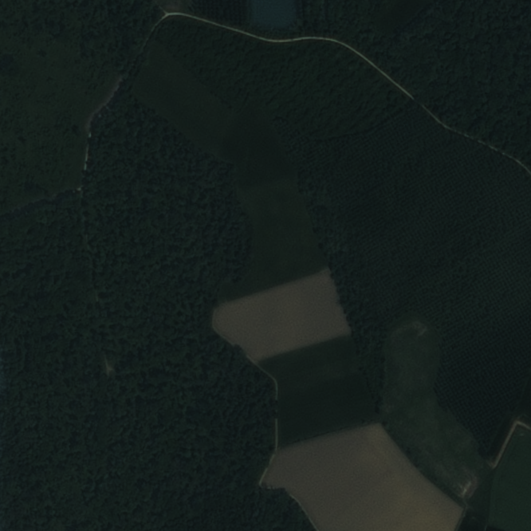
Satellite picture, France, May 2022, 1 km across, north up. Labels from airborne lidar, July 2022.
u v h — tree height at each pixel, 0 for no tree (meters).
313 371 0
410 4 0
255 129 0
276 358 0
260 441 15
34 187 26
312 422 0
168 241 24
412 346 0
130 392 25
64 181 7
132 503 23
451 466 0
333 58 6
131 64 9
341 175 19
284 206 0
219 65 9
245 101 6
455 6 24
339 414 0
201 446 29
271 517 28
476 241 6
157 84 0
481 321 18
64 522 18
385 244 19
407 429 0
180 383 23
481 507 0
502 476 0
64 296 28
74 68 6
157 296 26
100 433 33
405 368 0
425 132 25
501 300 15
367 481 0
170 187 24
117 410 26
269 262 0
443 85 25
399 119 19
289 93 6
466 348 17
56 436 27
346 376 0
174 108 0
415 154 21
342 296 15
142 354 26
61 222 23
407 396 0
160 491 25
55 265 23
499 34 8
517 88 27
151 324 26
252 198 0
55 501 26
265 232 0
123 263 25
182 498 28
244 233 20
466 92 28
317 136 8
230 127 0
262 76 5
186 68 9
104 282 20
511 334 24
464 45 29
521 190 21
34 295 9
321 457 0
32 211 23
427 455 0
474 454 0
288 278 0
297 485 0
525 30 23
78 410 27
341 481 0
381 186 24
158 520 25
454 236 17
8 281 27
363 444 0
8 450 16
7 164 27
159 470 25
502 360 23
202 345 18
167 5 0
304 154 10
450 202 22
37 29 9
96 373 8
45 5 9
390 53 20
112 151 26
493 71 27
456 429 0
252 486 25
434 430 0
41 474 26
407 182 19
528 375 22
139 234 26
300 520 26
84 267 27
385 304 21
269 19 0
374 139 17
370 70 8
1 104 29
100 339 22
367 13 19
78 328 26
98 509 27
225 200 10
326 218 16
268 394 23
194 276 27
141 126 23
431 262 17
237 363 24
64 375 28
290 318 0
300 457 0
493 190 21
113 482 24
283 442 0
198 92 0
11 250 22
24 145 22
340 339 0
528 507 0
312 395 0
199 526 15
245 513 16
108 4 13
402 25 0
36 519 24
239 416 20
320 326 0
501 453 0
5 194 10
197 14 8
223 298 0
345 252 11
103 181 25
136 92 0
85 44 26
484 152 22
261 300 0
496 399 21
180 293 28
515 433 0
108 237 24
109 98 0
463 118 27
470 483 0
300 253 0
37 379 24
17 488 28
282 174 0
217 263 23
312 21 9
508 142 21
